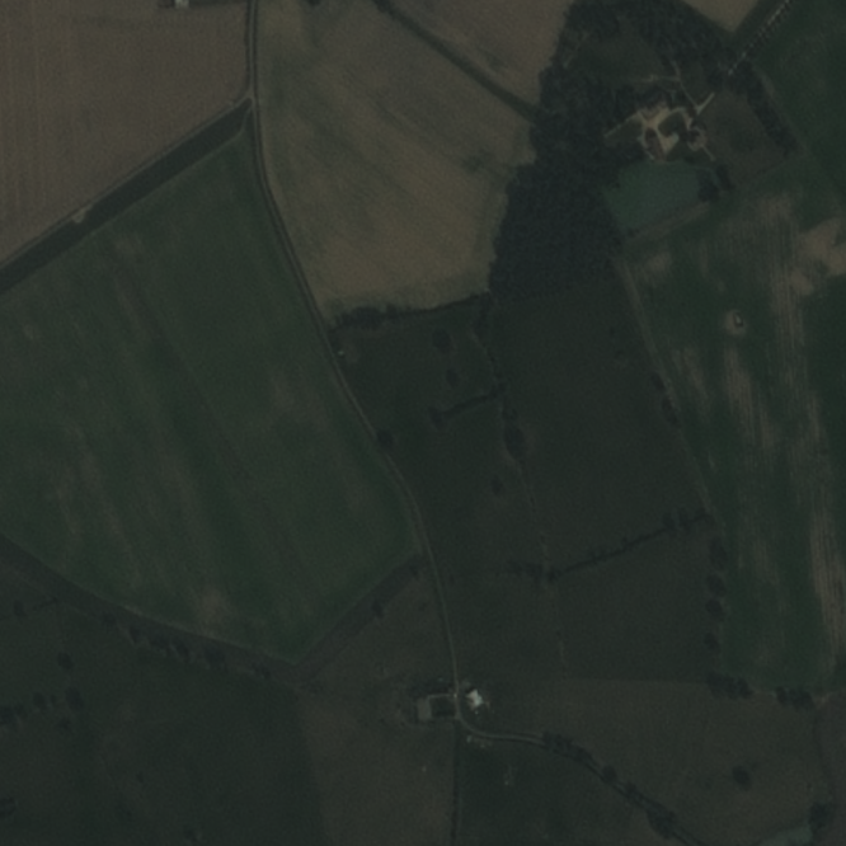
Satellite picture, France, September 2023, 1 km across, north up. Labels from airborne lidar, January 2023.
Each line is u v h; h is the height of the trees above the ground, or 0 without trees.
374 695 0
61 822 0
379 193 0
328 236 0
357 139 0
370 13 0
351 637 0
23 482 0
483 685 0
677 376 0
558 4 0
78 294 0
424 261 0
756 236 0
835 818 0
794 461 0
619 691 0
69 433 0
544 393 0
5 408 0
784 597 0
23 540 0
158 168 0
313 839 0
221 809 0
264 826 0
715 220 0
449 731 0
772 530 0
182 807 0
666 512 0
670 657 0
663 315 0
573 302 0
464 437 0
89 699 0
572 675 0
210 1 0
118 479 0
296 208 0
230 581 0
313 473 0
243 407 0
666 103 13
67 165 0
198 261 0
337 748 0
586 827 0
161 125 0
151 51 0
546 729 0
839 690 0
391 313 14
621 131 0
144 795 0
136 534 0
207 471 0
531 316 0
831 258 0
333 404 0
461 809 0
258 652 0
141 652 0
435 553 0
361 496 0
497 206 0
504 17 0
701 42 23
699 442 0
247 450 0
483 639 0
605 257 24
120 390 0
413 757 0
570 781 0
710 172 0
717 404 0
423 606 0
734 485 0
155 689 0
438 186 0
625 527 0
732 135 0
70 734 8
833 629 0
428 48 0
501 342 0
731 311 0
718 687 16
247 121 0
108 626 14
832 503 0
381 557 0
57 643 0
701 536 0
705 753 0
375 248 0
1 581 0
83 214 0
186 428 0
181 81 0
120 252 0
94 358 0
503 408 8
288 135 0
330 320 0
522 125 0
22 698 0
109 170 0
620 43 0
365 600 0
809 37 0
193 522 0
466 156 0
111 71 0
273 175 0
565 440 0
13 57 0
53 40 0
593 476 0
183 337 0
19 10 0
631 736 0
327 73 0
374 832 0
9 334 0
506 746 0
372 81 0
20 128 0
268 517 0
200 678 0
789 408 0
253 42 0
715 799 0
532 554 0
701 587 0
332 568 0
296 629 0
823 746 0
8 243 0
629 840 0
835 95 0
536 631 0
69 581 0
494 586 0
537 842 0
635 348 0
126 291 0
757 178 0
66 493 0
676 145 0
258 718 0
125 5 0
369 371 0
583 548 0
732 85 14
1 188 0
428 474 0
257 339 0
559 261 27
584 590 0
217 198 0
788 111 0
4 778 0
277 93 0
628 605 0
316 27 0
